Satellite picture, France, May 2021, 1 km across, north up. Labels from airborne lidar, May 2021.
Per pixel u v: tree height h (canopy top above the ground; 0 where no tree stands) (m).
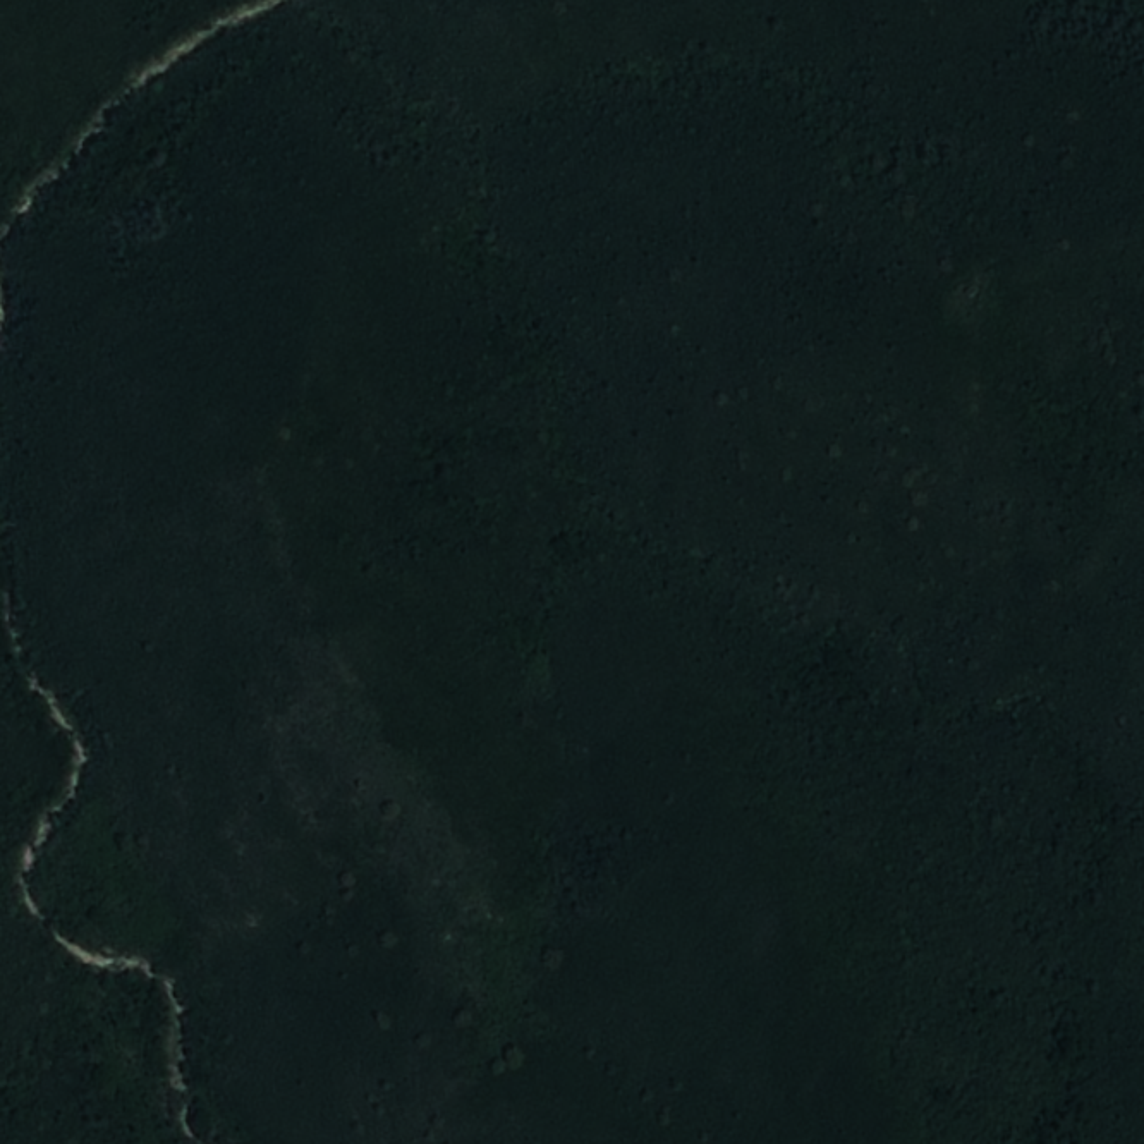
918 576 6
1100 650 10
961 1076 7
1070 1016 17
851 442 6
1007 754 8
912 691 12
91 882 6
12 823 10
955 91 6
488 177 9
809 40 7
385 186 7
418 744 5
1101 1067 7
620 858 10
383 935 13
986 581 7
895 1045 7
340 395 6
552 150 7
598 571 7
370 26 10
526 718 15
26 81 6
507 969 7
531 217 6
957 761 9
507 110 7
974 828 15
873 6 8
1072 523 8
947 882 8
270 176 6
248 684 11
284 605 6
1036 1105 9
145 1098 7
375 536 10
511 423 9
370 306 8
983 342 6
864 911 8
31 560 6
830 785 8
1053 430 7
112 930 6
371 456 10
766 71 9
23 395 7
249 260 7
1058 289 7
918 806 9
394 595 7
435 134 7
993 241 8
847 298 8
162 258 9
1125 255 6
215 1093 8
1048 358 7
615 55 7
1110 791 10
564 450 15
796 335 9
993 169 9
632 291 7
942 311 6
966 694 8
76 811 9
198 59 9
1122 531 6
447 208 8
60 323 6
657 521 6
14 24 6
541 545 9
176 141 21
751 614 10
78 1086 10
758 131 8
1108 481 7
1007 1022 10
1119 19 21
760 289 8
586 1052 10
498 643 9
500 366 9
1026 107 7
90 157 15
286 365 6
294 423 7
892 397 7
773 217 6
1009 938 8
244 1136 6
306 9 10
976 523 5
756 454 6
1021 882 9
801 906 5
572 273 8
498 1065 15
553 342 18
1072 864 10
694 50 10
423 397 7
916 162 8
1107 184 8
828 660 17
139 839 12
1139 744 6
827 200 9
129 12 7
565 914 9
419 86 5
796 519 6
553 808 10
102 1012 9
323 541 8
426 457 9
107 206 8
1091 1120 8
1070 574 7
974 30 7
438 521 11
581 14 6
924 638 12
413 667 6
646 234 6
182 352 6
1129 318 8
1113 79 8
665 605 5
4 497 10
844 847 9
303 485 8
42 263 5
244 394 6
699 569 7
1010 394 9
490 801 6
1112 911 8
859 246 10
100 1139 8
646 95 9
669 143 8
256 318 6
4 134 6
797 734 8
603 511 14
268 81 8
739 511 7
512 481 9
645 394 6
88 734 10
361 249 8
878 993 10
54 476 5
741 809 5
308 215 7
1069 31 16
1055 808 9
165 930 6
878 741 9
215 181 7
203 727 6
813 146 9
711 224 6
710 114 8
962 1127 9
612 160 6
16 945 7
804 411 7
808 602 11
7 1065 13
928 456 7
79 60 6
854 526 5
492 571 9
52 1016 8
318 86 7
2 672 11
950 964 8
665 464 6
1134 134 8
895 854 8
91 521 5
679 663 6
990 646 7
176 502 5
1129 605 6
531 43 6
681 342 6
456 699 6
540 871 8
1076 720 7
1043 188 9
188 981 7
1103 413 6
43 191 18
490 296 6
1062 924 14
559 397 16
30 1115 10
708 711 6
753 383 7
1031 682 9
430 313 8
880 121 12
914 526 14
